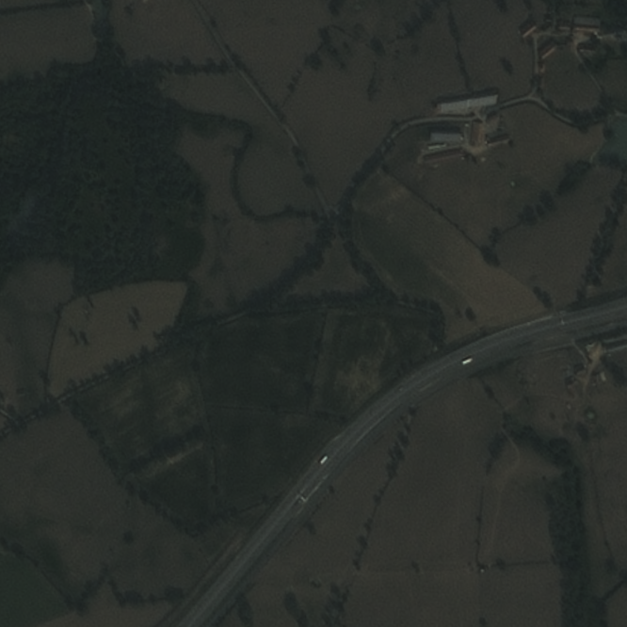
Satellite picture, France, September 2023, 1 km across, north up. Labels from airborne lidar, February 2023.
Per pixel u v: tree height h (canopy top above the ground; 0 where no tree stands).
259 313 17
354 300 13
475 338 0
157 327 0
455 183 0
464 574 0
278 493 0
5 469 0
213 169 0
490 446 0
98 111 0
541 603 0
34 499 0
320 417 13
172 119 7
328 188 0
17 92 8
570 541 9
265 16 0
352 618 0
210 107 0
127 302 0
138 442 0
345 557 0
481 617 0
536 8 0
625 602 0
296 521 0
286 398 0
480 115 0
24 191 14
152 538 0
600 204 0
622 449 0
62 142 20
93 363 0
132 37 0
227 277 0
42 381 14
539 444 17
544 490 0
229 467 0
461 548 0
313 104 0
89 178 11
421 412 0
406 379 0
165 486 0
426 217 0
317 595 0
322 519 0
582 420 0
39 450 0
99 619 0
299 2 0
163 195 13
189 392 0
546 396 0
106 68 6
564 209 0
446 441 0
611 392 0
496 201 0
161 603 0
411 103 0
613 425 0
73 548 0
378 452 0
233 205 0
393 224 0
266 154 0
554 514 6
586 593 9
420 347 0
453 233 0
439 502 0
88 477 0
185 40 0
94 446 0
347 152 0
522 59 0
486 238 0
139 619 0
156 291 0
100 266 10
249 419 0
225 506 0
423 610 0
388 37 0
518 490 0
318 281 0
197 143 0
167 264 0
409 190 0
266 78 0
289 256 0
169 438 0
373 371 0
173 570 0
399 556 0
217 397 0
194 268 0
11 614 0
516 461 0
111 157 0
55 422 0
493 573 0
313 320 0
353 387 0
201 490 0
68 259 15
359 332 0
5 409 0
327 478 0
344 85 0
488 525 0
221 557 0
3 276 0
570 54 0
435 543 0
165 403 0
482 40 0
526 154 0
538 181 0
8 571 0
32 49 0
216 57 0
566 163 0
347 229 13
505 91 0
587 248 0
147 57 0
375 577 0
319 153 0
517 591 0
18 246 22
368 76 0
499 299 0
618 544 0
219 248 0
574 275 0
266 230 0
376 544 0
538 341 0
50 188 18
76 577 0
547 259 0
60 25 0
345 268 0
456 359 0
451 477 0
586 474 0
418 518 0
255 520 0
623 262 0
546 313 0
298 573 0
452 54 0
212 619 0
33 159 8
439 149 0
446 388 0
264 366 0
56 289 0
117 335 0
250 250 0
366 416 0
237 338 0
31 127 6
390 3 0
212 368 0
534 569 0
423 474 0
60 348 0
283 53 0
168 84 0
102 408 0
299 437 0
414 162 0
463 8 0
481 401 0
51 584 0
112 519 0
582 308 0
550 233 0
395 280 0
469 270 0
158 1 0
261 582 0
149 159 18
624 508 0
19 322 0
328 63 0
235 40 0
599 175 0
